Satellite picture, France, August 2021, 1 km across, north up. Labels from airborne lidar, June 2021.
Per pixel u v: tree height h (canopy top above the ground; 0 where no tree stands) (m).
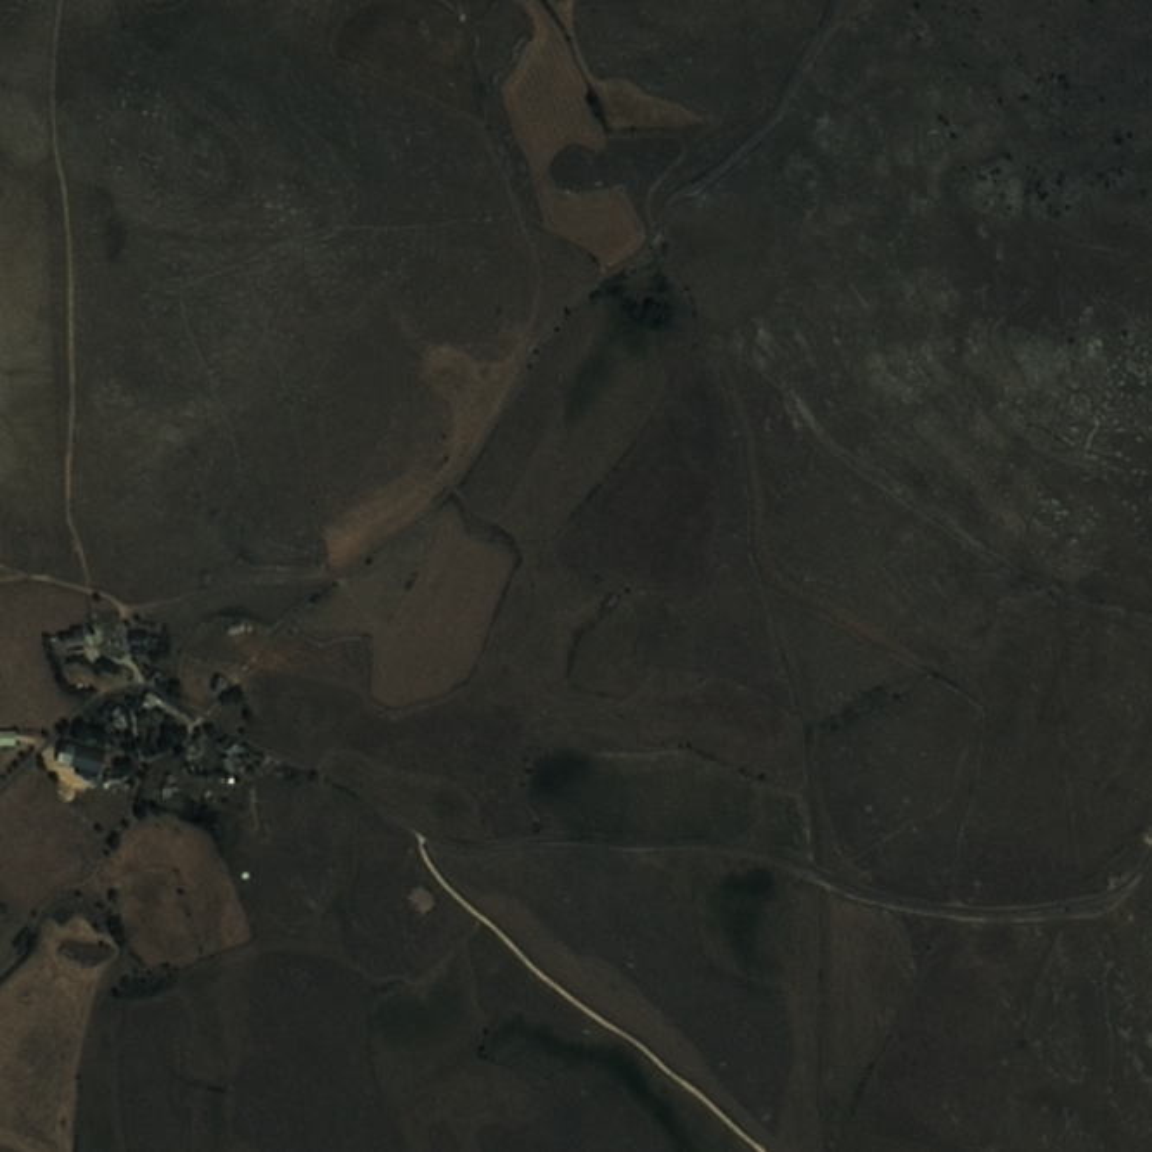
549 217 0
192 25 0
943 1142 0
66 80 0
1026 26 0
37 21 0
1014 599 0
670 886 0
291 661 0
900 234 0
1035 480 0
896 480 0
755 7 0
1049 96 0
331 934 0
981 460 0
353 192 0
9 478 0
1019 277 0
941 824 0
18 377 0
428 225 0
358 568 0
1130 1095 0
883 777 0
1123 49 0
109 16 0
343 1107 0
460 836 0
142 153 0
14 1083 0
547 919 0
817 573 0
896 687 0
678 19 0
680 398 0
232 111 0
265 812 0
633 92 0
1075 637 0
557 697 0
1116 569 0
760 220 0
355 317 0
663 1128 0
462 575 0
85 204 0
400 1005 0
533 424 0
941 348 0
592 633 0
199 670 0
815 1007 0
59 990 0
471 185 0
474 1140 0
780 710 0
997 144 0
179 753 16
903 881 0
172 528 0
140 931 0
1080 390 0
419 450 0
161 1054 0
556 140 0
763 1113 0
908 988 0
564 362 0
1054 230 0
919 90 0
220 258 0
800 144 0
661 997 0
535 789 0
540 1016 0
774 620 0
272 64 0
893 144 0
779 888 0
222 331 0
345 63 0
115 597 0
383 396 0
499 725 0
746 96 0
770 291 0
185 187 0
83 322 0
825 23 0
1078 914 0
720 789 0
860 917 0
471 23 0
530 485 0
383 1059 0
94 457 0
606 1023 0
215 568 0
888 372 0
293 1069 0
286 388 0
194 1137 0
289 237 0
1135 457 0
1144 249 0
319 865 0
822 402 0
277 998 0
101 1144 0
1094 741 0
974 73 0
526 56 0
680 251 0
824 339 0
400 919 0
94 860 0
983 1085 0
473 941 0
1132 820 0
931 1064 0
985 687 0
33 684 0
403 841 0
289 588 0
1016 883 0
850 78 0
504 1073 0
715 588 0
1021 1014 0
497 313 0
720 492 0
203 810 8
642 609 0
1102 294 0
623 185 0
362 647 0
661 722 0
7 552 0
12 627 0
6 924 0
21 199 0
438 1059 0
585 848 0
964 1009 0
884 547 0
